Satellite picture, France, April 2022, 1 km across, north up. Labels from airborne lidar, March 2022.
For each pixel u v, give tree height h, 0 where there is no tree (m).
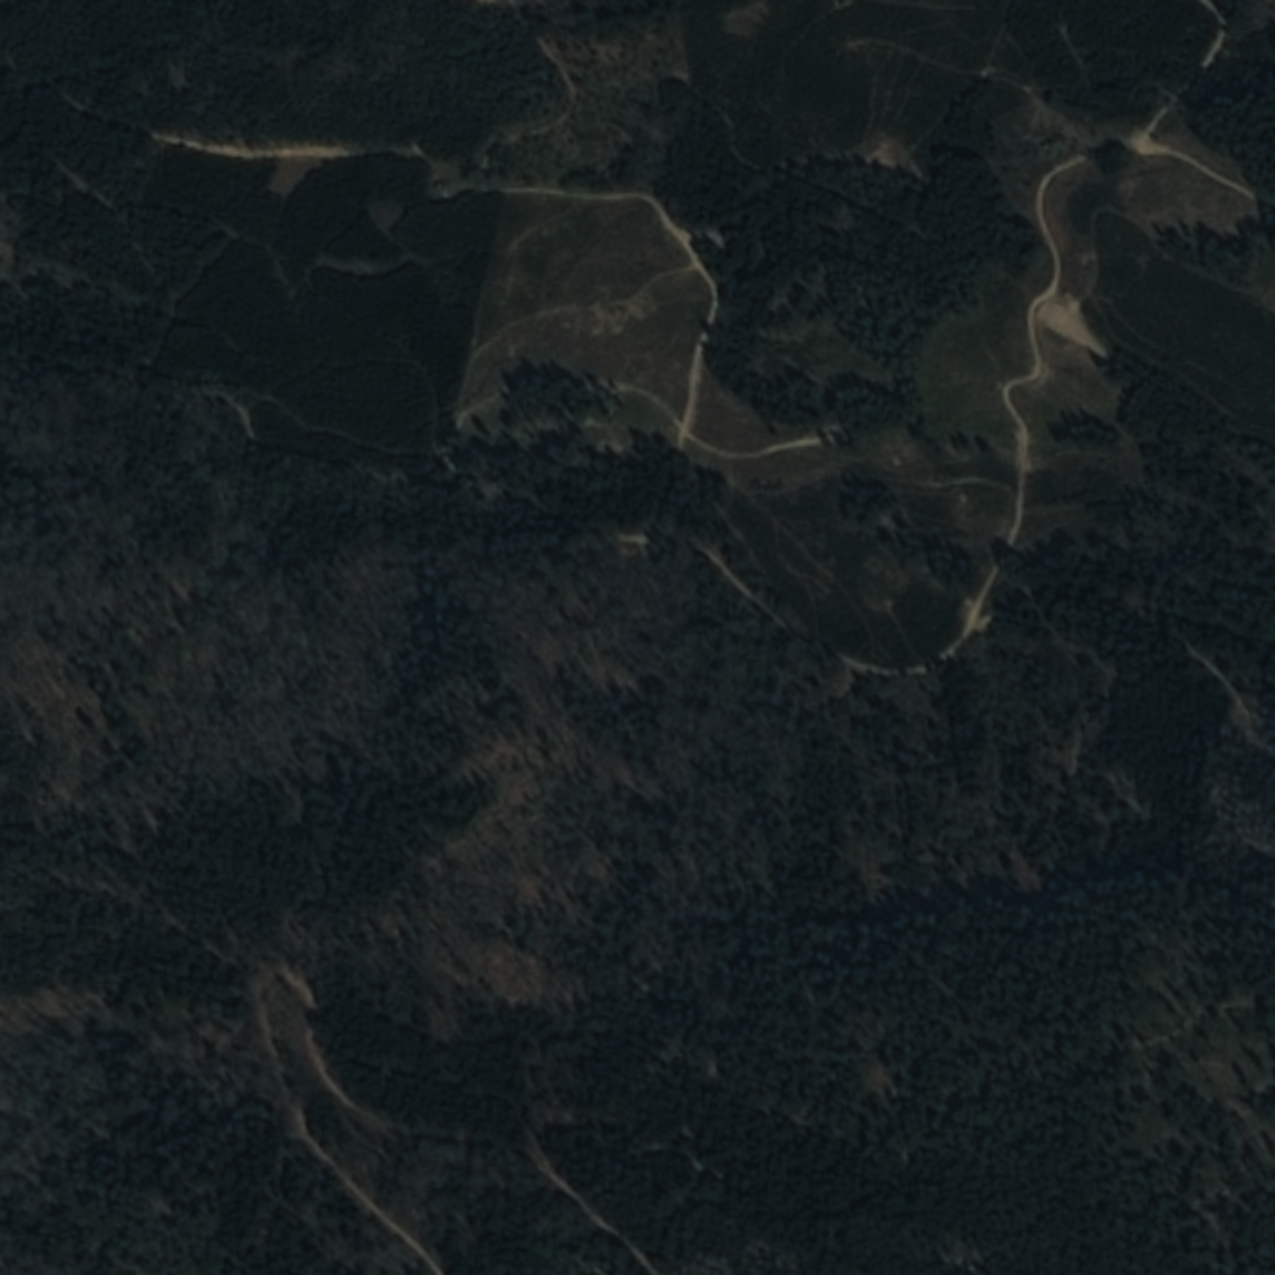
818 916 8
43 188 22
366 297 11
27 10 20
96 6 19
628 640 32
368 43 21
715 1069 26
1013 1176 26
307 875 26
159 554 35
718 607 26
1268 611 25
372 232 11
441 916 22
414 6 22
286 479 20
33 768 21
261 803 26
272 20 16
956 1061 27
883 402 25
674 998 29
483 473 25
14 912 25
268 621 31
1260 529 22
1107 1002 30
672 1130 13
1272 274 0
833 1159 16
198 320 8
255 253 10
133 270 15
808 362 0
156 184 10
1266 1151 0
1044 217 0
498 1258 15
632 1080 15
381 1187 20
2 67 14
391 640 25
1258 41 5
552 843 15
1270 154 29
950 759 10
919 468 0
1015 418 0
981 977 24
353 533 22
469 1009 12
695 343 0
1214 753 24
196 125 12
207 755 26
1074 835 8
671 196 18
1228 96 10
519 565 28
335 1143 19
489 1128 22
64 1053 32
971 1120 28
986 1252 24
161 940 24
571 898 27
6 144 12
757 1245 18
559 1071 10
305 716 26
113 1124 24
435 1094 16
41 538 28
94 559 34
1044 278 0
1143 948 26
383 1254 26
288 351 12
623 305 0
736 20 0
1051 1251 22
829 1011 23
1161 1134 0
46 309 19
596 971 24
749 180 11
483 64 19
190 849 34
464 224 14
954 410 0
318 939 26
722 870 29
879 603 0
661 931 21
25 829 24
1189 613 25
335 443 8
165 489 22
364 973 19
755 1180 16
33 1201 20
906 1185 10
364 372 9
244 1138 25
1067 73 9
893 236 21
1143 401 22
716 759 26
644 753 35
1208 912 27
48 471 22
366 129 18
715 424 0
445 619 21
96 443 21
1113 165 11
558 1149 22
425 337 11
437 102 16
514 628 30
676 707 34
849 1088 28
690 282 0
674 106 18
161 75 16
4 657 23
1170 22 10
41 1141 25
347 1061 17
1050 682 6
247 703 26
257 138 12
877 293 27
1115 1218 22
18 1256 33
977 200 21
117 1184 29
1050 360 0
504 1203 21
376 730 26
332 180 7
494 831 0
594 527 26
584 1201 12
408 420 7
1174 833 14
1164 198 0
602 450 0
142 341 12
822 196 22
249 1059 30
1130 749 12
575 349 0
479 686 25
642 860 24
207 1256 24
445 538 16
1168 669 13
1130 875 13
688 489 21
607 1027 26
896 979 24
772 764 29
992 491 0
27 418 32
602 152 25
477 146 18
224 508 22
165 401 8
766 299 21
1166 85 13
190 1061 40
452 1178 27
